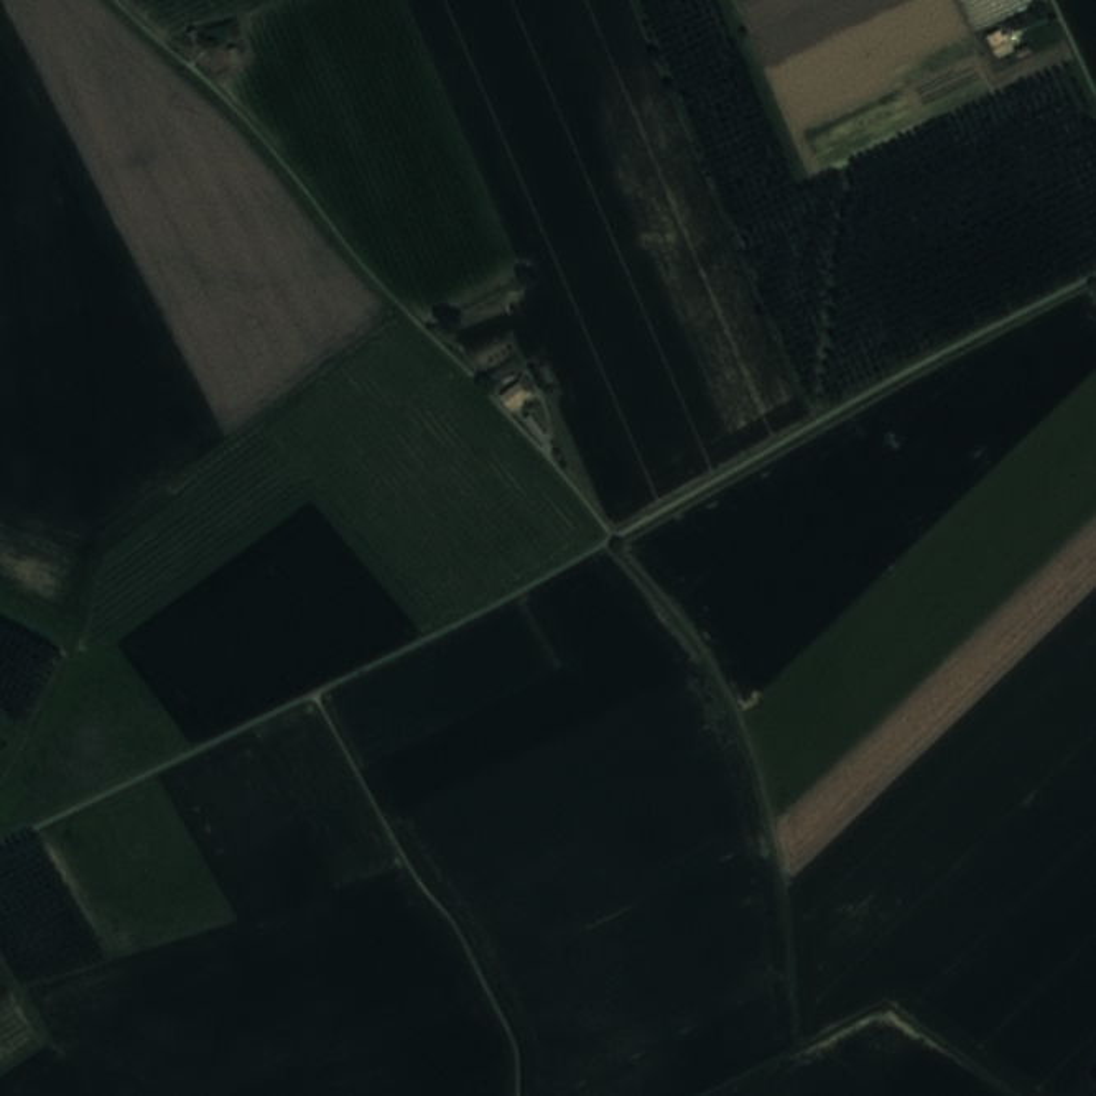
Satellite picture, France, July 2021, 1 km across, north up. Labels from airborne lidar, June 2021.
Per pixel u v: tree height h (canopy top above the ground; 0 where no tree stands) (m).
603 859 0
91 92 0
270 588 0
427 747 0
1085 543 0
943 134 20
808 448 0
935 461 0
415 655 0
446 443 0
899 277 24
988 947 0
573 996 0
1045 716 0
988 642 0
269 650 0
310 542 0
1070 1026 0
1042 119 22
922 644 0
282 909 0
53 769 0
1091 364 0
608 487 0
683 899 0
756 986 0
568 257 0
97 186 0
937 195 26
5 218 0
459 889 0
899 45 0
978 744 0
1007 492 0
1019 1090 0
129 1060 0
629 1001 0
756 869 0
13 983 0
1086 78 0
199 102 0
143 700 0
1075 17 0
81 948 28
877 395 0
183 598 0
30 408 0
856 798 0
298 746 0
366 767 0
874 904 0
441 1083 0
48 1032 0
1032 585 0
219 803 0
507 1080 0
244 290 0
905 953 0
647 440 0
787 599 0
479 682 0
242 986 0
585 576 0
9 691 20
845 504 0
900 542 0
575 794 0
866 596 0
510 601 0
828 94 0
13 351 0
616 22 0
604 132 0
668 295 0
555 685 0
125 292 0
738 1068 0
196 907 0
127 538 0
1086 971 0
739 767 0
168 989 0
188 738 0
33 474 0
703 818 0
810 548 0
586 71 0
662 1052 0
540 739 0
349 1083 0
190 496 0
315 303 0
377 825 0
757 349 0
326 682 0
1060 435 0
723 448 0
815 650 0
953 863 0
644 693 0
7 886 27
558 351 0
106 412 0
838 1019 0
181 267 0
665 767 0
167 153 0
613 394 0
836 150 0
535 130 0
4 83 0
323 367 0
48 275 0
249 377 0
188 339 0
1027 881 0
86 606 0
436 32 0
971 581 0
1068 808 0
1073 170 18
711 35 20
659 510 0
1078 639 0
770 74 0
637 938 0
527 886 0
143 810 0
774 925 0
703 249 0
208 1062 0
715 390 0
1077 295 0
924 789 0
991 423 0
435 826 0
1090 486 0
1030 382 0
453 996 0
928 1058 0
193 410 0
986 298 21
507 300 0
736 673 0
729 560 0
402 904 0
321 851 0
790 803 0
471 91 0
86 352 0
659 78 0
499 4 0
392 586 0
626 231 0
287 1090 0
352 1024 0
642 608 0
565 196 0
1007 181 24
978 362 0
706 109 18
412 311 0
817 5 0
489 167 0
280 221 0
